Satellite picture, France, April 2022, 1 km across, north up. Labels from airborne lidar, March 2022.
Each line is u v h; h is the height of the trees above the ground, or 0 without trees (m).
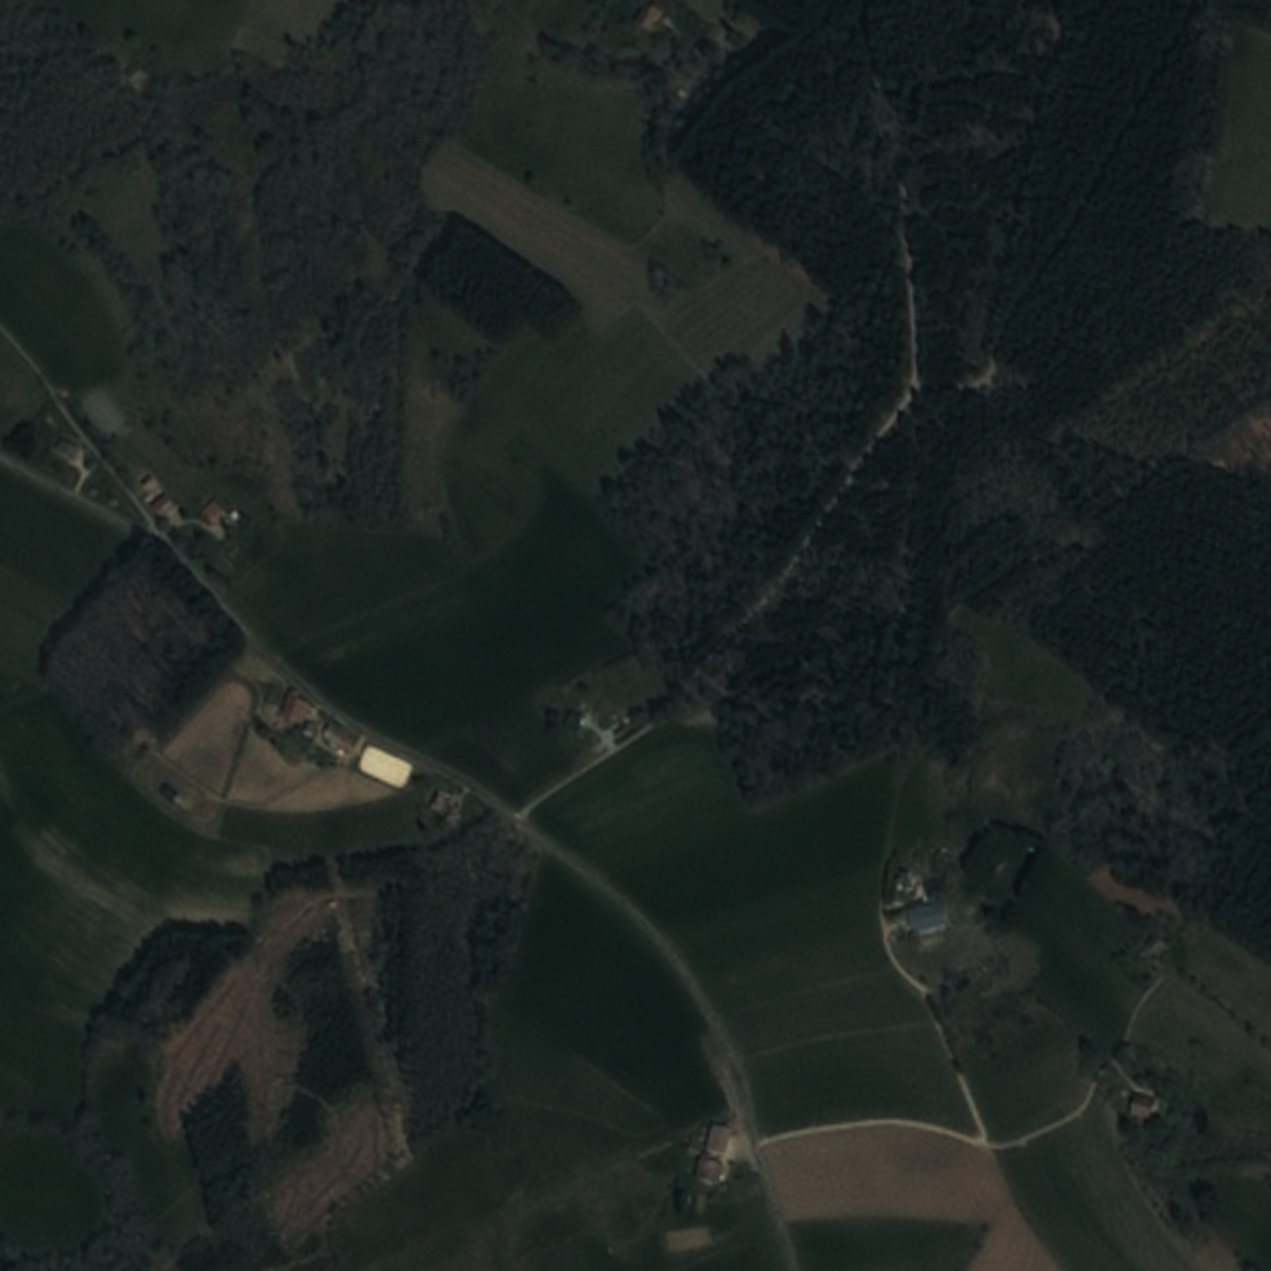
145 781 0
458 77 9
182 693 27
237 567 0
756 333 0
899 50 29
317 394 0
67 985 0
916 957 0
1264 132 0
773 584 12
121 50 0
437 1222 0
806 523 20
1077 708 0
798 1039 0
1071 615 22
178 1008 27
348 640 0
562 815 0
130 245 0
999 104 10
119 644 28
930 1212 0
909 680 32
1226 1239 0
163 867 0
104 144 7
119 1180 23
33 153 15
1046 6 11
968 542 11
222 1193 18
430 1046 14
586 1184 0
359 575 0
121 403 0
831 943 0
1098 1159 0
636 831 0
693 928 0
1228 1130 0
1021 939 0
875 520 12
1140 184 21
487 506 0
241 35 0
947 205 14
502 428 0
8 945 0
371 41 17
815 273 19
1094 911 0
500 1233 0
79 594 0
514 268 26
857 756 28
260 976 0
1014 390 16
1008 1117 0
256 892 0
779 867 0
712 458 16
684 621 13
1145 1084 13
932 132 15
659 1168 0
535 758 0
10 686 0
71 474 0
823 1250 0
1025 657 0
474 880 13
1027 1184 0
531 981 0
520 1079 0
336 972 8
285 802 0
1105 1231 0
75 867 0
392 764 0
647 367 0
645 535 17
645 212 0
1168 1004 0
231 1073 0
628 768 0
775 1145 0
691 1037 0
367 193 0
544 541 0
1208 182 23
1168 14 23
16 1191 0
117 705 27
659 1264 0
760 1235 0
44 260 0
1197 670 22
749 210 21
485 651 0
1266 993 0
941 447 12
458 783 0
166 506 0
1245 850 25
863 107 28
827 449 19
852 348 25
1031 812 0
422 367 0
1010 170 9
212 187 21
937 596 22
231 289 12
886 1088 0
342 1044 6
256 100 16
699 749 0
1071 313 18
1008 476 18
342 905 0
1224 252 19
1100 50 25
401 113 9
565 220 0
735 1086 0
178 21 0
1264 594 17
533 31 0
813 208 22
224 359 14
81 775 0
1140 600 25
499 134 0
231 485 0
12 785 0
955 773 19
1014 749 0
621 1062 0
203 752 0
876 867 0
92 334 0
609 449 0
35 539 0
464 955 8
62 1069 0
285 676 0
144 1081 0
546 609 0
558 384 0
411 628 0
